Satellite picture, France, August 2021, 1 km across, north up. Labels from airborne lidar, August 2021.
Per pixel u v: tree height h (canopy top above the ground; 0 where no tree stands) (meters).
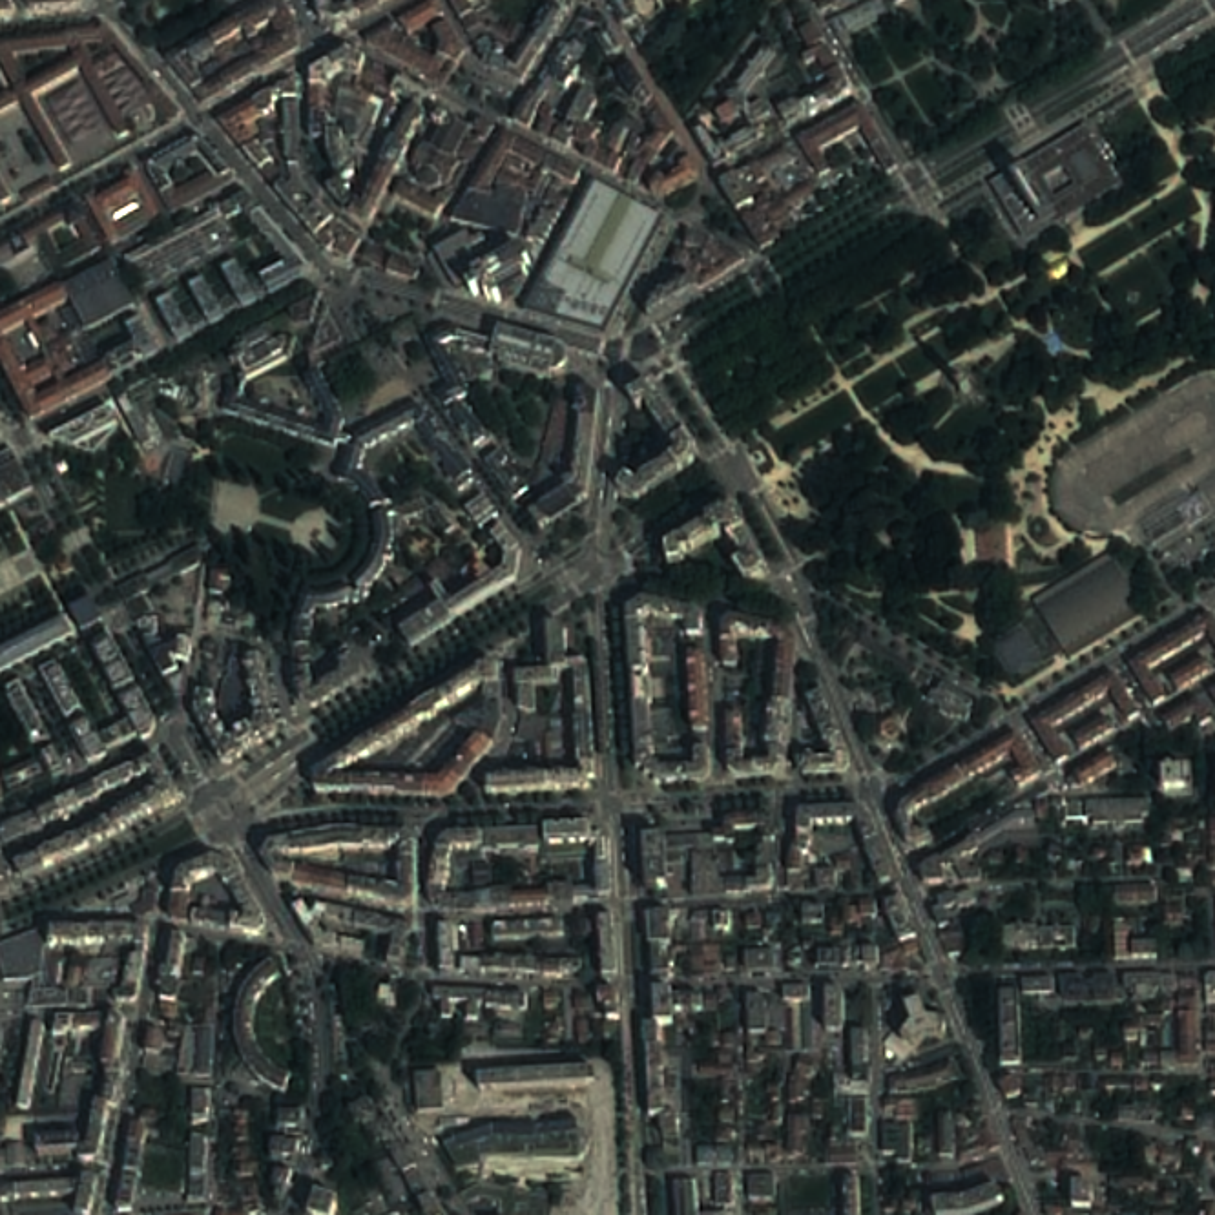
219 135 0
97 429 0
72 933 0
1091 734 0
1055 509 8
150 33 19
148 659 12
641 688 0
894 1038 0
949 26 20
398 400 0
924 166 0
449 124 0
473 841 0
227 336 21
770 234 0
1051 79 19
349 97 0
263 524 0
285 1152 0
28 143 10
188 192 0
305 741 0
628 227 0
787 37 10
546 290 0
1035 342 14
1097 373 23
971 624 0
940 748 9
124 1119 0
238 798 0
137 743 10
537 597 0
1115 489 0
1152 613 25
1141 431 0
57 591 9
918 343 0
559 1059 0
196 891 0
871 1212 7
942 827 11
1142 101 0
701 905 0
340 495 10
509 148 0
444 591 0
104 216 0
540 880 9
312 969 0
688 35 17
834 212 11
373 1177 17
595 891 0
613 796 0
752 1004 0
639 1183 0
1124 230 0
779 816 0
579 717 0
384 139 0
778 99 0
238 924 0
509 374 15
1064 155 0
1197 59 16
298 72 0
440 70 0
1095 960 10
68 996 0
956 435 0
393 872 0
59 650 9
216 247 0
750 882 0
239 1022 0
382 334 7
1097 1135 10
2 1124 0
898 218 11
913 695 16
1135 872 10
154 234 17
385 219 8
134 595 0
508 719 0
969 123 12
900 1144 0
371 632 29
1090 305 10
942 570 17
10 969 0
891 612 18
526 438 18
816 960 0
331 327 0
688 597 29
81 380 0
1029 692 0
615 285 0
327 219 0
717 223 12
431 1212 0
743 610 30
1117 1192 10
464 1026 12
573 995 6
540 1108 0
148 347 0
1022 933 0
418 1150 0
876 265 20
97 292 0
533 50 0
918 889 0
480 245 0
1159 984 0
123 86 0
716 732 0
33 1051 0
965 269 19
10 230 10
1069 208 0
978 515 27
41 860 0
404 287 0
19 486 0
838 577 16
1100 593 0
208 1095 0
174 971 0
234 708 0
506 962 0
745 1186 0
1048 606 0
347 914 0
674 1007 0
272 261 0
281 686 0
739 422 23
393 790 0
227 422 12
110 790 0
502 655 0
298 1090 13
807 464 0
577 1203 0
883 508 15
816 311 28
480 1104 0
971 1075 9
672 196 15
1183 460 0
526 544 0
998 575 28
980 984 13
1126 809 0
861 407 0
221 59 0
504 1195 0
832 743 0
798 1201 0
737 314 16
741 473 0
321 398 0
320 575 13
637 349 0
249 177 0
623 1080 15
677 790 15
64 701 0
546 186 0
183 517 10
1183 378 9
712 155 0
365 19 0
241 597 17
